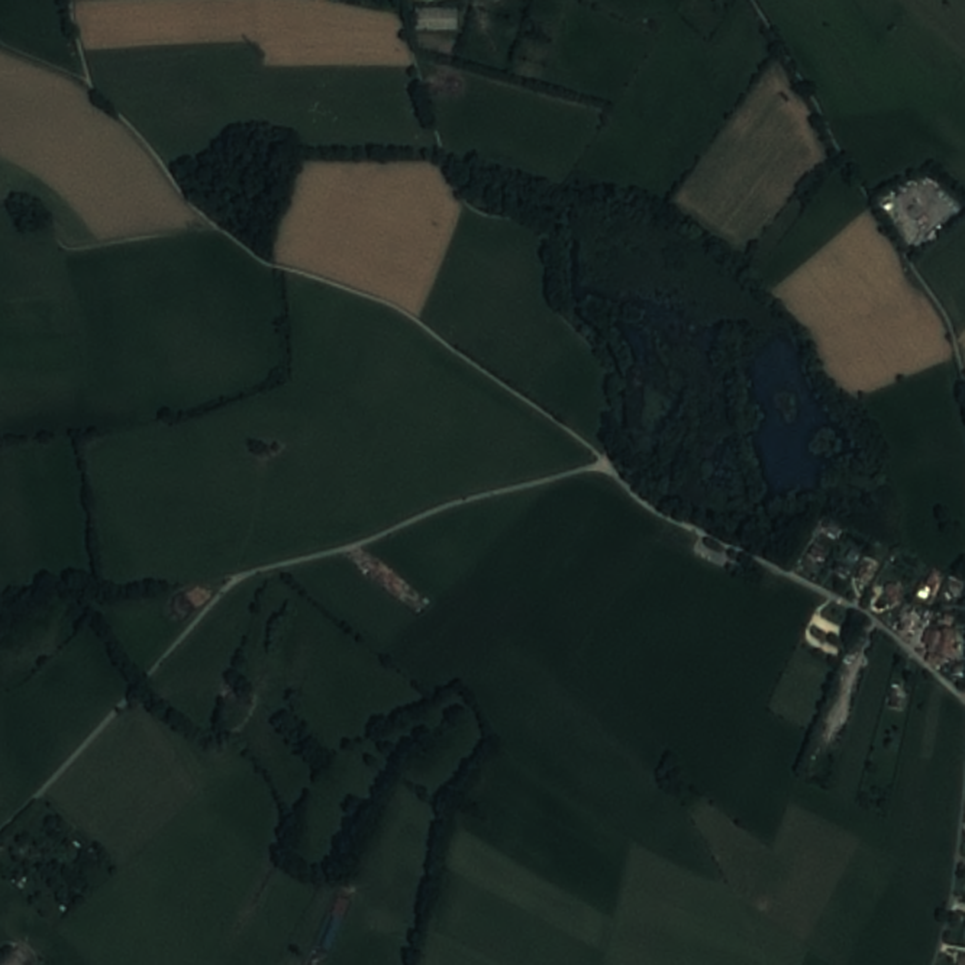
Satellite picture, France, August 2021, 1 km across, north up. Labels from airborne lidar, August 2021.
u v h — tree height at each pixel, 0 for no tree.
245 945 0
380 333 0
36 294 0
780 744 0
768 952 0
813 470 0
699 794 6
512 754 0
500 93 0
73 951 0
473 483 0
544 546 0
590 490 0
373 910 0
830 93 0
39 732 0
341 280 0
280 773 0
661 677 0
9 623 23
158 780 0
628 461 30
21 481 0
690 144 0
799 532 24
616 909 0
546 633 0
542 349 0
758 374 0
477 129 0
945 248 0
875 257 0
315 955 0
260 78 0
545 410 9
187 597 0
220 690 0
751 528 17
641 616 0
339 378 0
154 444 0
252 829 0
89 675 0
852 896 0
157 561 0
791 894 0
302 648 0
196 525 0
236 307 0
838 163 18
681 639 0
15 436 10
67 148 0
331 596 0
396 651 0
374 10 0
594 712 0
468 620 0
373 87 0
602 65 0
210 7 0
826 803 0
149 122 0
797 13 0
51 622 0
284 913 0
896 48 0
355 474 0
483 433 0
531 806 0
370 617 0
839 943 0
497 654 0
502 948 0
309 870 17
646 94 0
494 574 0
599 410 0
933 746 0
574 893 0
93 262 0
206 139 0
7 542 0
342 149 13
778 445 0
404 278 0
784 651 0
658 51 0
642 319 10
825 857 0
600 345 13
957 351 0
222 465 0
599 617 0
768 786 0
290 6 0
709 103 0
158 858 0
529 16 8
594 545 0
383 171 0
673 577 0
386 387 0
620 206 15
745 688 0
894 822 0
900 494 0
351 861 21
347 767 0
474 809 14
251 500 0
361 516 0
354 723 0
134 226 0
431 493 0
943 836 0
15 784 0
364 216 0
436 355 0
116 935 0
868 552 9
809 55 0
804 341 15
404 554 0
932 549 0
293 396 0
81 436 12
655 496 26
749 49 0
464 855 0
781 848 0
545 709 0
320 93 0
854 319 0
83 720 0
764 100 0
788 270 0
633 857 0
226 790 0
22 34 0
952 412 0
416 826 0
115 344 0
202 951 0
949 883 0
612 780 0
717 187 0
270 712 0
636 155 0
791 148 0
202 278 0
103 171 0
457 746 0
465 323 0
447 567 0
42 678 0
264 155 22
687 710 0
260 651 0
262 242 22
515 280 0
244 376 0
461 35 8
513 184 19
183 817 0
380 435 0
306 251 0
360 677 0
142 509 0
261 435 0
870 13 0
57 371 0
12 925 0
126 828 0
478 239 0
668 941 0
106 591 20
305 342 0
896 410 0
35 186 0
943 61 0
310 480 0
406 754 19
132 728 0
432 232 0
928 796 0
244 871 0
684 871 0
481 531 0
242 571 0
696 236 15
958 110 0
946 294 0
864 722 0
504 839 0
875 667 0
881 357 0
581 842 0
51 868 10
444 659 0
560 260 21
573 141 0
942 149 0
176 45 0
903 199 0
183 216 0
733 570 9
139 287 0
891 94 0
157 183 0
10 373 0
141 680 16
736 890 0
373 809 18
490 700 0
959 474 0
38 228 14
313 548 0
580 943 0
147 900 0
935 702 0
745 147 0
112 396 0
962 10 0
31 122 0
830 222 0
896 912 0
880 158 0
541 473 0
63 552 0
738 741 0
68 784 0
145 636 0
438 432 0
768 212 0
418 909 7
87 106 0
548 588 0
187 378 0
